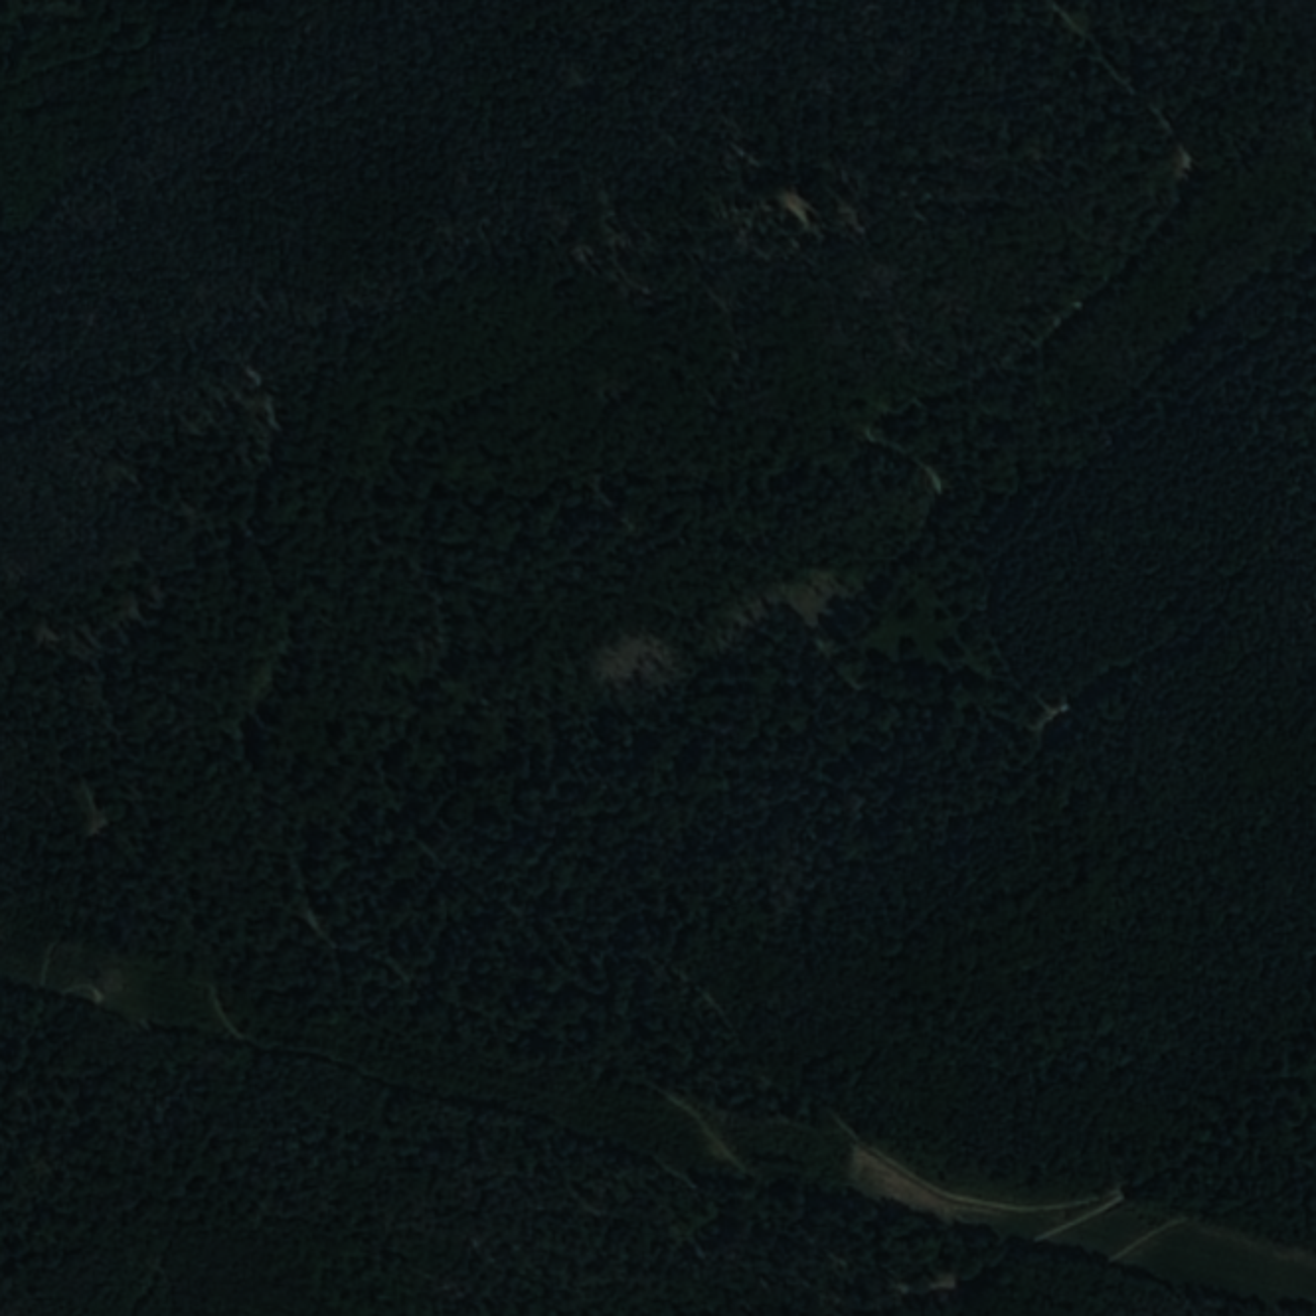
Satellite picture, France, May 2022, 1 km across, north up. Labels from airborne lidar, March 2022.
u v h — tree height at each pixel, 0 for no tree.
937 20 28
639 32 24
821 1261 34
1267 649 20
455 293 25
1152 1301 18
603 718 35
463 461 37
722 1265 31
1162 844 21
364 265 23
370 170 21
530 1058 18
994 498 28
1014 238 21
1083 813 24
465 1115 11
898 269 25
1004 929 23
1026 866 14
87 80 19
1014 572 25
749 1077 14
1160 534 19
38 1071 16
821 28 26
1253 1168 19
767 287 22
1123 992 18
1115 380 21
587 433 27
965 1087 17
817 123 30
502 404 28
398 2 27
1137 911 22
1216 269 28
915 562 26
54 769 19
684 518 28
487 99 19
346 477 28
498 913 30
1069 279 22
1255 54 31
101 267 18
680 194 27
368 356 26
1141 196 20
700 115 26
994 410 29
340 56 28
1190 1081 25
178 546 22
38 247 21
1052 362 14
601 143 26
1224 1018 17
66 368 22
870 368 29
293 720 11
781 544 24
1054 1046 17
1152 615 29
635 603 27
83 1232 11
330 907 34
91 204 18
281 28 26
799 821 32
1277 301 29
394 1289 21
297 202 18
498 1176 26
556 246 25
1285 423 27
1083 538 29
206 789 27
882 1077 19
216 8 18
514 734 32
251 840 33
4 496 19
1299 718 25
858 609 15
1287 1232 17
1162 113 27
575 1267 26
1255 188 17
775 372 25
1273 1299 0
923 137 29
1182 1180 13
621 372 27
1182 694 28
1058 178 22
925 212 22
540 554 33
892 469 24
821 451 33
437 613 22
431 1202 21
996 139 30
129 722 26
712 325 24
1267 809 20
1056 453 30
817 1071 26
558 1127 11
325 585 29
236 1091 15
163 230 17
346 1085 16
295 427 27
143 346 20
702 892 32
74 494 17
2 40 9
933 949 21
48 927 15
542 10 22
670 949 22
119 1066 18
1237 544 23
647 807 33
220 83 28
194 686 27
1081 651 26
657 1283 25
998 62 33
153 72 22
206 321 20
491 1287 27
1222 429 26
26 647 22
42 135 15
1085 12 28
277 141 21
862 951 19
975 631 24
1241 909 23
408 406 27
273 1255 10
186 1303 12
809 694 29
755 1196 18
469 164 19
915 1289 22
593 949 31
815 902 31
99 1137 23
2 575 19
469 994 30
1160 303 20
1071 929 19
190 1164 21
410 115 20
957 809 14
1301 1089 31
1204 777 21
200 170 19
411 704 21
